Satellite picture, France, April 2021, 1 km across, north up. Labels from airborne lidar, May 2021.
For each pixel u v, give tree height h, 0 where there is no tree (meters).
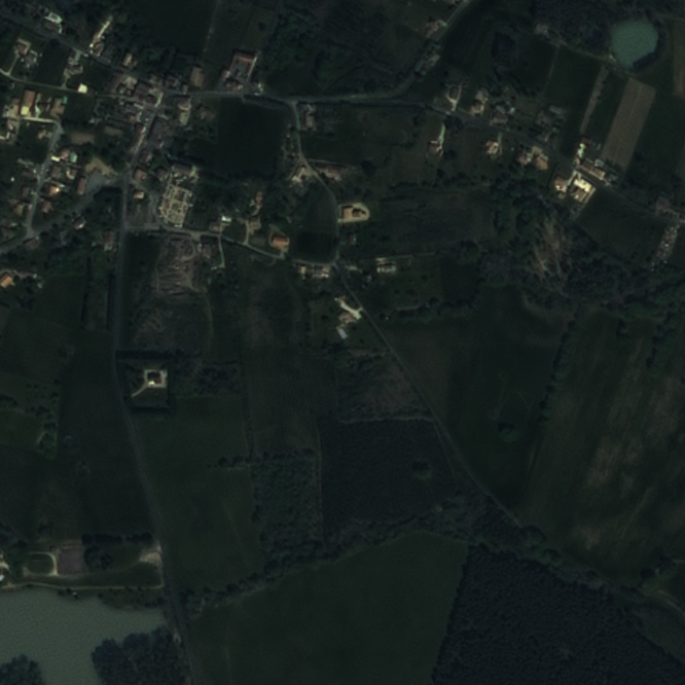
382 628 0
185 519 0
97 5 7
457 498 11
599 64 0
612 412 0
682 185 6
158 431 0
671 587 0
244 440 0
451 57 0
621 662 17
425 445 6
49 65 0
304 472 8
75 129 11
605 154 0
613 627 17
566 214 17
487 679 18
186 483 0
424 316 15
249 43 0
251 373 0
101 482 0
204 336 0
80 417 0
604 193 0
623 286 16
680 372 0
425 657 0
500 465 0
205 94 0
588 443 0
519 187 17
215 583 0
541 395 0
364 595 0
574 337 14
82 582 0
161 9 0
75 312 0
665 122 0
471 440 0
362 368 9
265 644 0
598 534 0
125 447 0
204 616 0
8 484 0
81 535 0
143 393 0
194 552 0
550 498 0
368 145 0
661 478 0
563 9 23
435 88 0
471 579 19
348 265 10
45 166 0
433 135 0
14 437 0
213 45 0
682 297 8
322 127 6
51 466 0
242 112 0
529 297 12
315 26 11
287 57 16
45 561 0
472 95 0
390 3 0
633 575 0
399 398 0
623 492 0
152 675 22
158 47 12
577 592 18
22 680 18
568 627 18
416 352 0
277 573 23
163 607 15
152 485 0
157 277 0
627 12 21
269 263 0
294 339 0
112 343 0
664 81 0
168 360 14
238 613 0
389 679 0
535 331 0
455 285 0
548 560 22
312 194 8
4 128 7
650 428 0
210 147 0
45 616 0
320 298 6
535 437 0
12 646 0
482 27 0
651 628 11
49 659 0
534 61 0
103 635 0
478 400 0
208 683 0
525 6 0
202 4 0
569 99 0
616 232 0
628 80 0
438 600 0
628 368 0
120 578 0
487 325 0
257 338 0
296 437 0
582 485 0
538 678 19
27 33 0
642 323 0
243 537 0
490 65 0
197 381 8
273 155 0
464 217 0
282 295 0
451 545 0
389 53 0
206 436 0
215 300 0
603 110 0
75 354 0
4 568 0
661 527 0
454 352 0
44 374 0
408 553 0
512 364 0
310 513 11
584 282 10
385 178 0
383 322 9
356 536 10
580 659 18
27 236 0
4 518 0
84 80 0
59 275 12
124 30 7
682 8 10
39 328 0
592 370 0
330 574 0
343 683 0
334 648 0
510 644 18
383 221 0
